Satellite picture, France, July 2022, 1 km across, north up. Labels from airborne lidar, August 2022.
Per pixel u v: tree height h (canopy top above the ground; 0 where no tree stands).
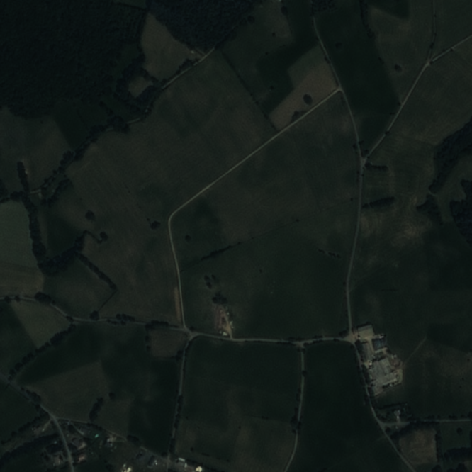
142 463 0
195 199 0
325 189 0
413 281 0
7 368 0
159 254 0
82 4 14
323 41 0
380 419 6
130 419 0
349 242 0
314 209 0
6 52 18
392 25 0
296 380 0
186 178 0
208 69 0
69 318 9
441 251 0
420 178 0
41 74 18
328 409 0
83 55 20
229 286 0
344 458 0
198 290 0
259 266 0
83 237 6
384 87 0
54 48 23
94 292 0
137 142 0
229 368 0
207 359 0
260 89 0
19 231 0
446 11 0
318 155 0
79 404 0
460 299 0
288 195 0
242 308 0
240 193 0
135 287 0
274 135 0
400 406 7
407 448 0
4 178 0
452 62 0
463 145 20
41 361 0
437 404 0
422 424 15
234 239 0
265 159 0
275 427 0
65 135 0
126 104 19
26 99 15
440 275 0
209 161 0
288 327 0
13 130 0
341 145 0
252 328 0
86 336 0
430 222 0
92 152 0
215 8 10
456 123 0
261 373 0
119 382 0
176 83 0
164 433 0
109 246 0
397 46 0
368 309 0
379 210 0
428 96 0
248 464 0
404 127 0
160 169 0
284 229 0
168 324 11
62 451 8
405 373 0
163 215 0
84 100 20
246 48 0
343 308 0
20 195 14
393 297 0
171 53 0
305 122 0
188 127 0
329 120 0
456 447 0
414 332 0
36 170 0
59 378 0
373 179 0
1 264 0
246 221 0
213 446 0
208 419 0
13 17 21
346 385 0
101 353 0
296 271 0
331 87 0
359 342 9
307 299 0
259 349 0
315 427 0
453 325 0
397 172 0
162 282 0
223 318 0
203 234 0
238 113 0
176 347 0
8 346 0
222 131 0
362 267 0
